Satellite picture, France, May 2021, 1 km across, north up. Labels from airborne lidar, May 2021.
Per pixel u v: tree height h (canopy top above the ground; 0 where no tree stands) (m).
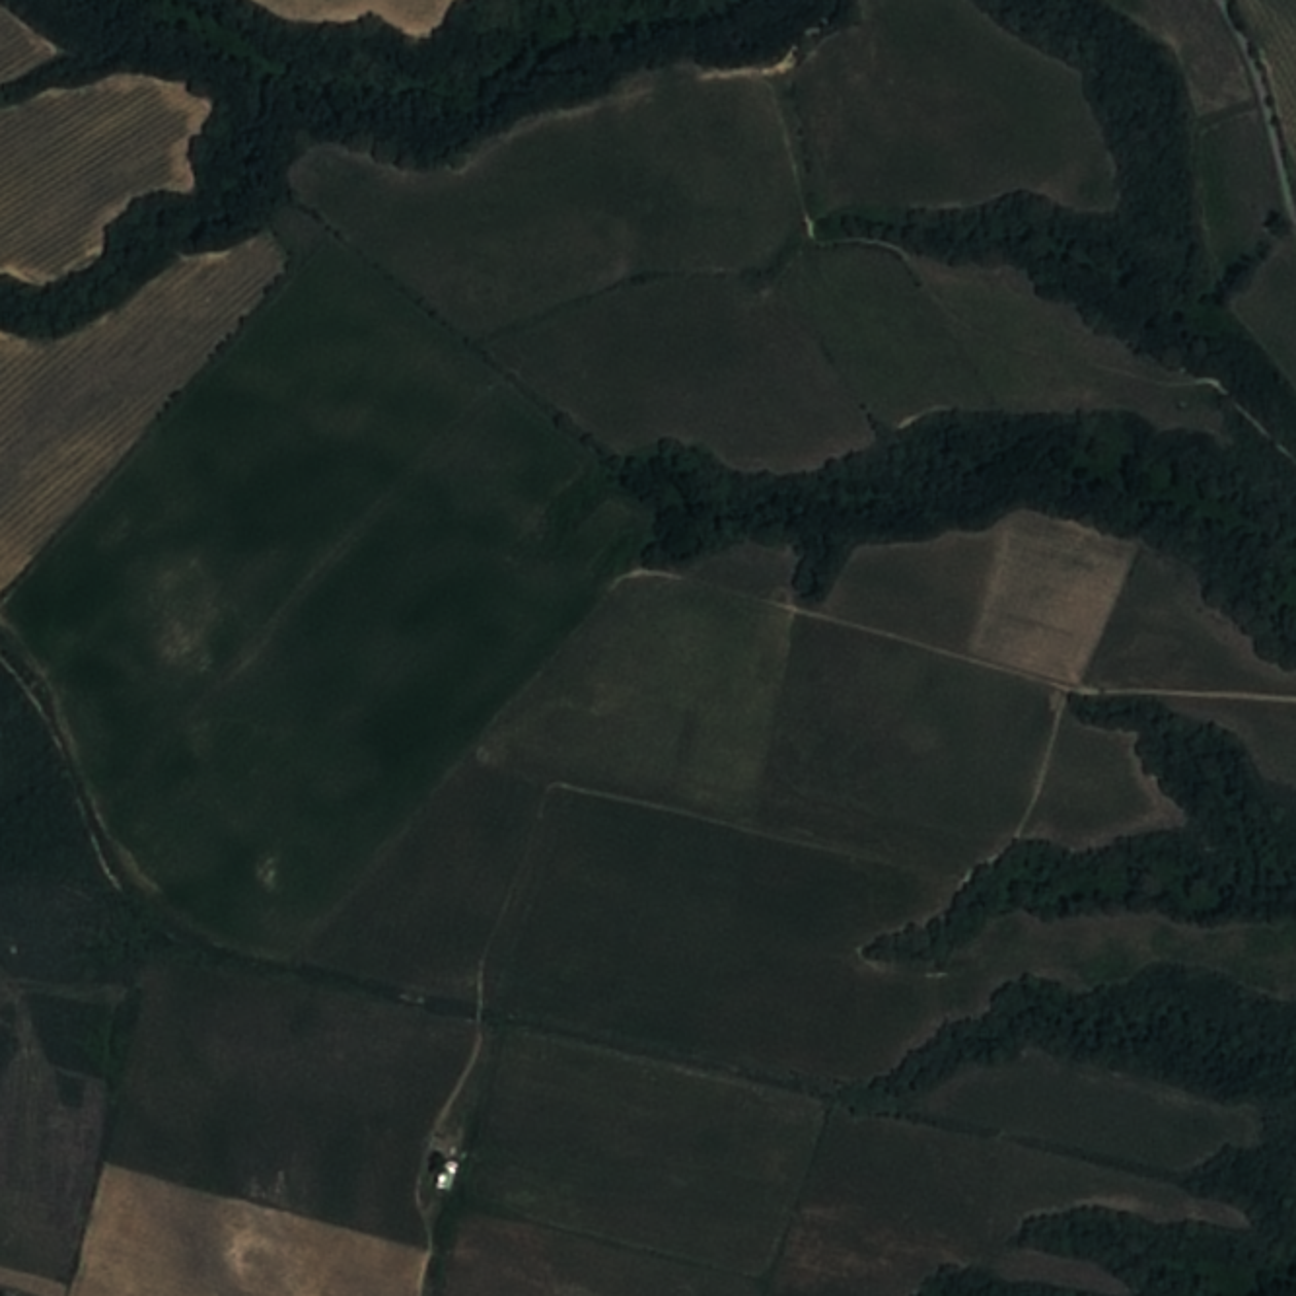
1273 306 0
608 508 0
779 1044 0
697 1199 0
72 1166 0
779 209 0
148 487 0
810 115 0
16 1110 0
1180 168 6
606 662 0
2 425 0
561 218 0
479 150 9
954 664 0
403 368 0
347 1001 0
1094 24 9
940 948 12
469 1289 0
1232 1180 15
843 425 0
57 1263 0
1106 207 0
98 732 0
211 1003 0
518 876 0
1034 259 16
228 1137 0
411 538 0
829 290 0
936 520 9
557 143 0
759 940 0
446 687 0
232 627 0
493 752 0
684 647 0
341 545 0
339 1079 0
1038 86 0
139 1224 0
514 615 0
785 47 9
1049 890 19
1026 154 0
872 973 0
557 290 0
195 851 0
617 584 0
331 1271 0
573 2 16
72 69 17
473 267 0
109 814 0
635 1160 0
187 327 0
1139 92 10
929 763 0
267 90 19
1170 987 6
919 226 12
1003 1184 0
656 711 0
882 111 0
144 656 0
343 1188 0
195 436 0
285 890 0
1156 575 0
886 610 0
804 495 16
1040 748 0
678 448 12
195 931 0
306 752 0
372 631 0
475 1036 0
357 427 0
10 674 5
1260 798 7
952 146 0
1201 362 11
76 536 0
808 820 0
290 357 0
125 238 17
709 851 0
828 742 0
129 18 18
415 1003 0
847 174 0
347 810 0
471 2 14
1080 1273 0
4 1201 0
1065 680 0
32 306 11
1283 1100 7
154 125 0
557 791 0
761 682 0
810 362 0
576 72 21
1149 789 0
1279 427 8
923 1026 0
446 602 0
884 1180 0
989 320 0
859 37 0
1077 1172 0
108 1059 0
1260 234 0
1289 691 0
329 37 15
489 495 0
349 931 0
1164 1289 9
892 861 0
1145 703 8
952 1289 13
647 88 0
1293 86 0
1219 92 0
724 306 0
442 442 0
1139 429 6
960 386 0
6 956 0
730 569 0
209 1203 0
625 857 0
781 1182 0
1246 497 13
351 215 0
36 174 0
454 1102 0
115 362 0
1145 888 16
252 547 0
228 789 0
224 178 17
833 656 0
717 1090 0
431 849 0
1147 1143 0
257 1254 0
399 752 0
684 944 0
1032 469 16
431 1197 0
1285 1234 10
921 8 0
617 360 0
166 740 0
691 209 0
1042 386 0
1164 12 0
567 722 0
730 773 0
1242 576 8
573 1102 0
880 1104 6
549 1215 0
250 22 16
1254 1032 10
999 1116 0
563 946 0
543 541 0
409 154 12
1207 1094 8
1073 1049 11
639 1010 0
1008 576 0
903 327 0
